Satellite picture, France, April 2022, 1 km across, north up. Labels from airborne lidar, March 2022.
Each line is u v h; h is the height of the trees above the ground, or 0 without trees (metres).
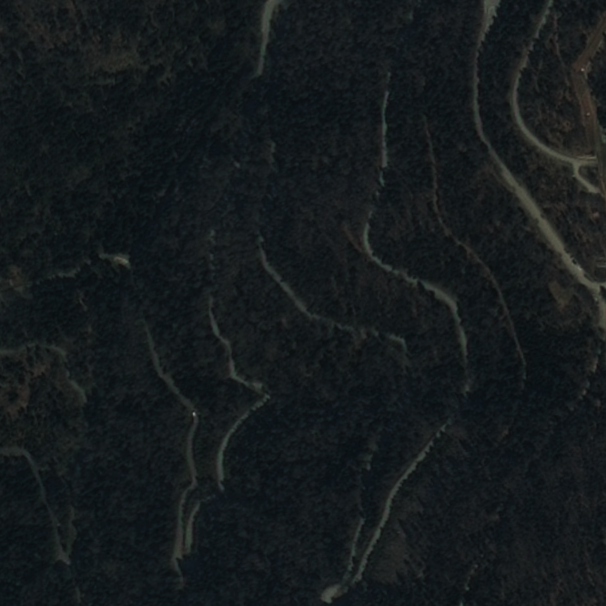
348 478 25
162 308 27
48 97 35
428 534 25
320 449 25
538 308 8
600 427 20
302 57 25
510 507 25
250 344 23
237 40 34
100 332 11
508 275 10
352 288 22
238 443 9
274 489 30
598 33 0
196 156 25
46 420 11
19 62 36
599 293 0
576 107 19
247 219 25
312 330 21
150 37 20
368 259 22
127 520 31
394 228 25
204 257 31
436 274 24
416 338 28
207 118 29
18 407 0
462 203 8
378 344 32
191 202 28
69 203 28
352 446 13
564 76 19
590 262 10
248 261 29
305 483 30
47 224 21
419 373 23
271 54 8
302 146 29
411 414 33
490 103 15
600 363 9
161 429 34
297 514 28
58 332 15
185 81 19
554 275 11
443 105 18
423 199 24
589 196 16
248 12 23
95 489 28
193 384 17
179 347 28
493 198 9
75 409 8
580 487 19
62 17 24
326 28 28
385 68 24
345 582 23
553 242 0
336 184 24
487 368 27
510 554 22
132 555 27
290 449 26
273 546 30
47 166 30
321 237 23
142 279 30
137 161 24
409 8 22
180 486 33
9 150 28
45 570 30
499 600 22
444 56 20
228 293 24
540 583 19
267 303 29
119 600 25
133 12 32
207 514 8
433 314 25
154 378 30
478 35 20
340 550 29
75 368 29
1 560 28
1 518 25
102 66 9
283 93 27
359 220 22
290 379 24
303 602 11
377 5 24
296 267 22
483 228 10
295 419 33
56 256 14
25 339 21
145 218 24
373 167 24
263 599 23
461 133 19
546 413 21
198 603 29
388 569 0
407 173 23
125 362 34
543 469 22
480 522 24
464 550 22
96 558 26
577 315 10
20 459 19
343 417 26
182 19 32
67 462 12
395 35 22
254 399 31
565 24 15
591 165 0
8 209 25
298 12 27
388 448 15
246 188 26
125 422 30
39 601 31
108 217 21
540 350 8
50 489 7
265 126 33
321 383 31
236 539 26
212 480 15
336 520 26
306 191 26
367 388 16
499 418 23
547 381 8
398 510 0
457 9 21
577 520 22
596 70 20
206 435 7
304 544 29
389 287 24
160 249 22
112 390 35
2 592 29
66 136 33
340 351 24
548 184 6
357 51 25
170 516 36
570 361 16
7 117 35
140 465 34
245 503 29
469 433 24
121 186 23
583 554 19
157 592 37
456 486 20
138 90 24
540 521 18
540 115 20
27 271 16
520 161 7
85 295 17
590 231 20
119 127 24
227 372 19
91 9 27
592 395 14
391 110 11
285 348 20
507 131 15
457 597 15
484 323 23
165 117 30
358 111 26
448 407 28
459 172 8
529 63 9
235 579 27
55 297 12
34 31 26
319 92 26
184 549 0
